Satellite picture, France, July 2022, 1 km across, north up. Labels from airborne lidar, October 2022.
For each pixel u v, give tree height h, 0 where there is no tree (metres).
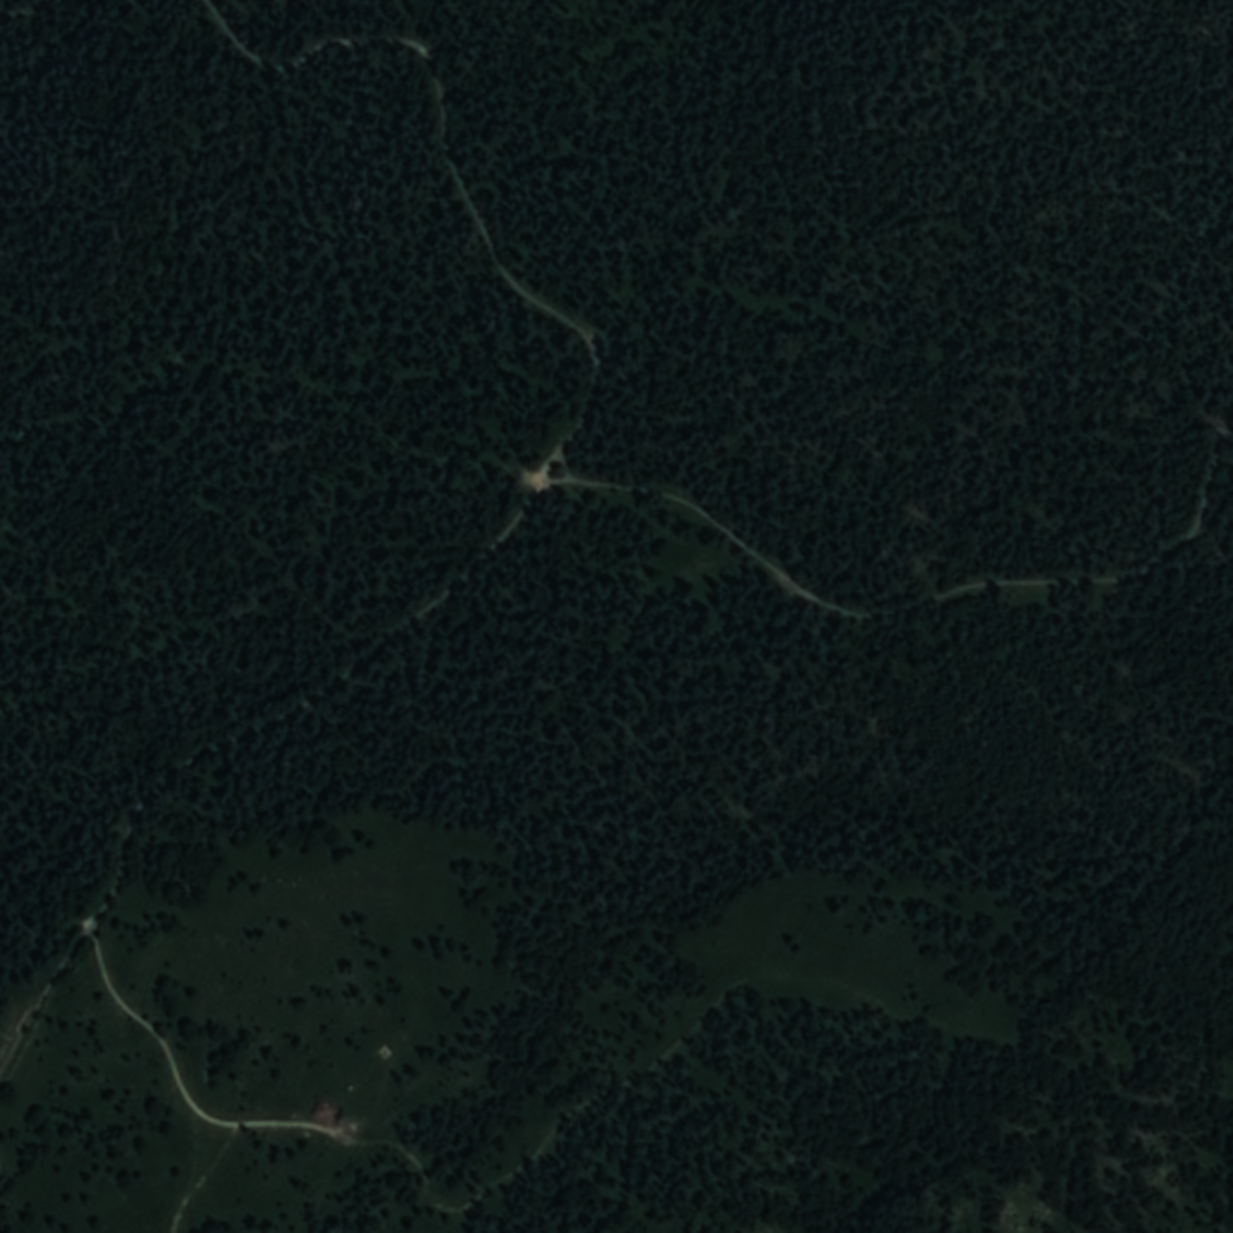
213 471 25
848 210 12
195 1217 0
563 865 25
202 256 7
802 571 23
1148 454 12
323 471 10
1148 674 14
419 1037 0
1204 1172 20
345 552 18
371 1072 0
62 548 12
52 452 11
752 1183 18
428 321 18
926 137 7
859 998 0
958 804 11
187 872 17
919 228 16
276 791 23
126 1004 0
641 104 9
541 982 16
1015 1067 20
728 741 19
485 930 0
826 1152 15
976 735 8
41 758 28
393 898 0
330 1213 0
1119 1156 17
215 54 25
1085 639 23
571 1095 15
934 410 11
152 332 19
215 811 24
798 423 13
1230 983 22
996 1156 16
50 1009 0
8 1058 0
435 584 24
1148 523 9
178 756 10
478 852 0
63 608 12
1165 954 20
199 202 24
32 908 13
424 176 27
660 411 13
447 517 12
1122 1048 0
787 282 23
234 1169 0
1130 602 8
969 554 12
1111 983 15
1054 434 13
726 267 20
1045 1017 15
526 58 9
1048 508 16
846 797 13
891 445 14
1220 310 15
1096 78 9
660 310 24
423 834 0
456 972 0
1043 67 17
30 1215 9
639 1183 9
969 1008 0
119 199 8
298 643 24
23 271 12
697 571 0
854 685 13
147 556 10
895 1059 10
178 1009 14
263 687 13
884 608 27
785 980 0
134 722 11
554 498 14
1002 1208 15
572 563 10
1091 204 13
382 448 14
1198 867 17
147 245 13
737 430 21
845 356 12
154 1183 0
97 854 32
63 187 15
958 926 18
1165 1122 18
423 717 28
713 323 23
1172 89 11
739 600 21
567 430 0
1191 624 10
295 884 0
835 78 13
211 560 15
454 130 9
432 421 11
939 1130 16
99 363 28
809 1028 11
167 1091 0
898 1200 22
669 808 23
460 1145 17
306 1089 0
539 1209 13
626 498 0
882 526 7
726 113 7
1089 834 8
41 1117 16
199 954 0
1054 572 17
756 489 12
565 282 8
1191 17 8
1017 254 17
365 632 6
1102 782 9
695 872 25
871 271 18
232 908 0
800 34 22
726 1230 12
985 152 22
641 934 14
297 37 23
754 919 0
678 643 25
